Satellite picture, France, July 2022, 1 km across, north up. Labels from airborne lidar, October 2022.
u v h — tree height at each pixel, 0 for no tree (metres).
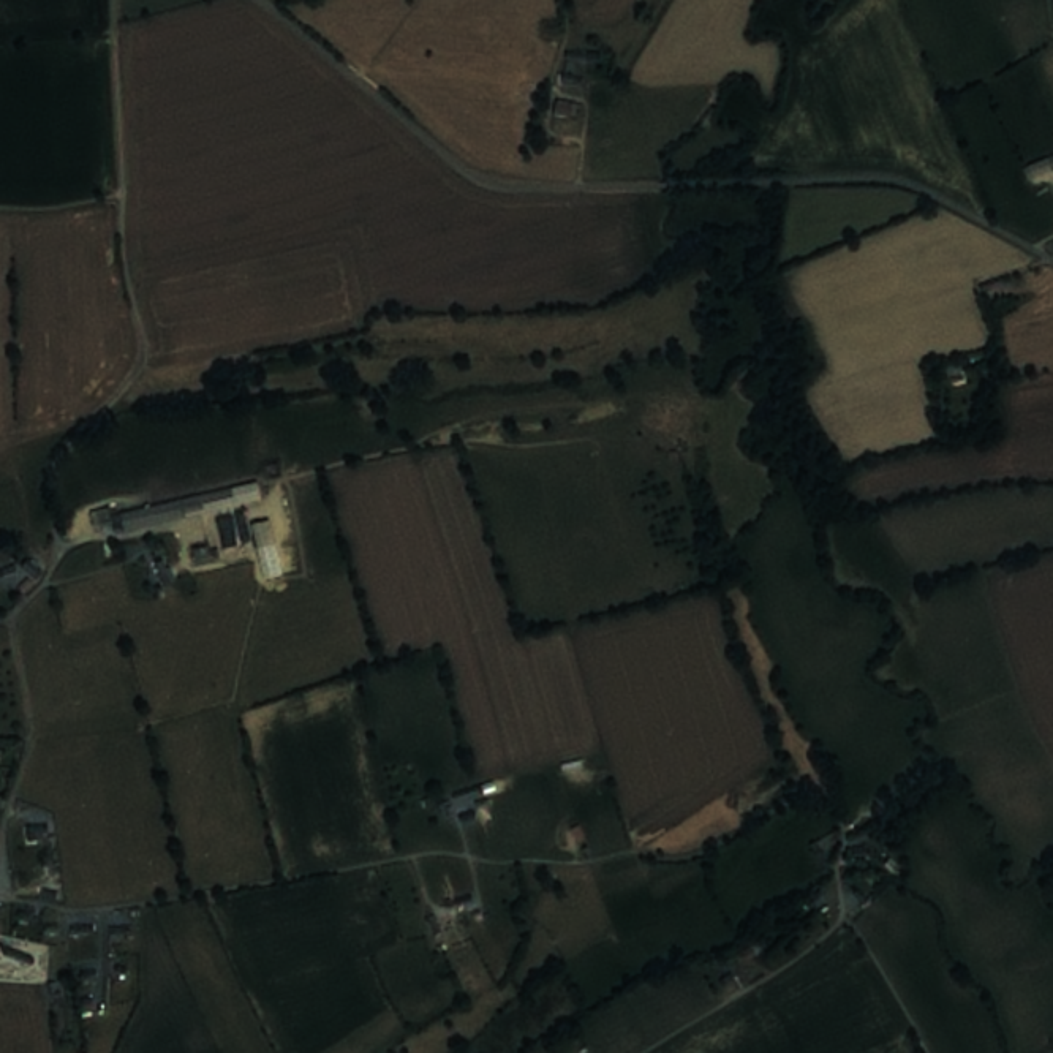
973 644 0
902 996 0
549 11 0
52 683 0
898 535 0
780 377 12
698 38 0
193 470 0
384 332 0
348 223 0
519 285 0
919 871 0
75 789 0
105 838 0
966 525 0
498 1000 0
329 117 0
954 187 0
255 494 0
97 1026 0
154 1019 0
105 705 0
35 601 0
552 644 0
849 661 0
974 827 0
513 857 0
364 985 0
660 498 6
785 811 25
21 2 0
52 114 0
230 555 0
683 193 17
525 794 0
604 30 0
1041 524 0
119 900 0
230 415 27
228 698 0
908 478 0
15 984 0
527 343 0
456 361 12
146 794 0
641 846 0
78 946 0
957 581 14
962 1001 0
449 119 0
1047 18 0
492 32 0
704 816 0
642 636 0
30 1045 0
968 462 0
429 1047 0
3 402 0
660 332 0
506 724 0
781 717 14
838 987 0
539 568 0
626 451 0
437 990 0
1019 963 0
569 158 0
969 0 0
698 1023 0
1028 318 0
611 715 0
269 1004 0
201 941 0
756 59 0
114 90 0
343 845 0
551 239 0
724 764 0
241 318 0
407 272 0
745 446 8
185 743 0
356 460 12
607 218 0
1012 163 0
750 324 0
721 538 12
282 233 0
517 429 15
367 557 0
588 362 0
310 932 0
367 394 18
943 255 0
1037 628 0
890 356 0
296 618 0
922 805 29
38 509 0
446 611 0
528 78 0
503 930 0
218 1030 0
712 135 0
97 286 0
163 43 0
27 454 0
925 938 0
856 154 0
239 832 0
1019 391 0
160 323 0
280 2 10
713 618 0
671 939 0
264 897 0
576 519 0
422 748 0
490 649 0
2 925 0
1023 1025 0
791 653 0
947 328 0
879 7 0
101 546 0
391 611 0
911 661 0
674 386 0
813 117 0
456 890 0
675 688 0
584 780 0
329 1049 0
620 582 0
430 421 0
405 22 0
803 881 0
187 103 0
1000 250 0
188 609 0
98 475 0
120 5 0
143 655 0
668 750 0
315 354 16
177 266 0
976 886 0
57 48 0
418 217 0
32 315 0
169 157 0
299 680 0
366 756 0
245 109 0
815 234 0
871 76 0
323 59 0
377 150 0
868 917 0
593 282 0
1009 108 0
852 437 0
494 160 0
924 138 0
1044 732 0
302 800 0
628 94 16
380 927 0
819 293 0
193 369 0
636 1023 0
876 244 0
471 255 0
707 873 16
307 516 0
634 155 0
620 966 0
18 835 0
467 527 0
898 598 0
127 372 0
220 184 0
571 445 0
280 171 0
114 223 0
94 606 0
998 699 0
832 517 12
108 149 0
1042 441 0
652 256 0
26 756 0
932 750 12
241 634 0
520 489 0
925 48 0
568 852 0
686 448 0
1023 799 0
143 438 0
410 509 0
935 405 9
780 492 7
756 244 8
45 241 0
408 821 0
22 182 0
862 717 0
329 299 0
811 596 0
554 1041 13
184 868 7
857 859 10
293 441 0
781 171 6
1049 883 12
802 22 0
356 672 12
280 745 0
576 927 0
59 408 0
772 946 9
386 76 0
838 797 31
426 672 0
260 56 0
